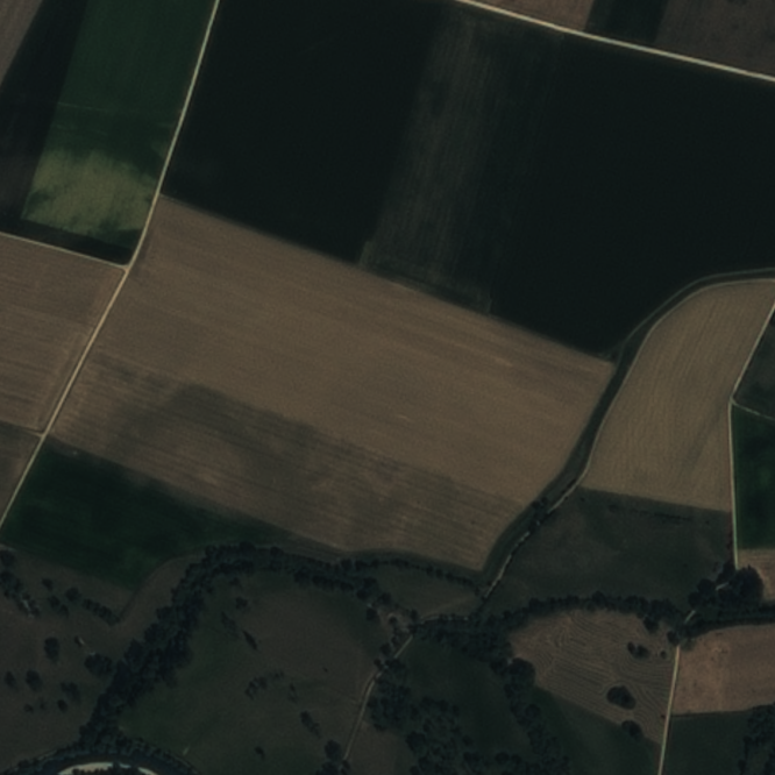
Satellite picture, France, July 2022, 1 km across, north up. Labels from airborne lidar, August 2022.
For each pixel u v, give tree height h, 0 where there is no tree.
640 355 0
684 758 0
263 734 0
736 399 0
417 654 0
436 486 0
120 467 0
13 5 0
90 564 0
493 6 0
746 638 0
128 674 31
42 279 0
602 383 0
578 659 0
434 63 0
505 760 16
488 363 0
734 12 0
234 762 0
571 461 0
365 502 0
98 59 0
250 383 0
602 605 17
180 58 0
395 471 0
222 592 0
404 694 19
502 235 0
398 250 0
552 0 0
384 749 0
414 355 0
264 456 0
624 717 0
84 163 0
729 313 0
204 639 0
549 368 0
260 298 0
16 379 0
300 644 0
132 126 0
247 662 0
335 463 0
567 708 0
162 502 0
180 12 0
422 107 0
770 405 0
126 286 0
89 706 0
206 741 0
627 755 0
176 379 0
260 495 0
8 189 0
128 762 0
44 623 0
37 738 0
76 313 0
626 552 0
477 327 0
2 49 0
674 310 0
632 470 0
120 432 0
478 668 0
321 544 0
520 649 0
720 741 0
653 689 0
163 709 0
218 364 0
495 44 0
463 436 0
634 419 0
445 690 0
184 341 0
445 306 0
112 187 0
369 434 0
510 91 0
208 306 0
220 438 0
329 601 0
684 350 0
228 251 0
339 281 0
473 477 0
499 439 0
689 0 0
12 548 0
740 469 0
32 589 0
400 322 0
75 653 0
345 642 0
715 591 14
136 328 0
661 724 0
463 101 0
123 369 0
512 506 0
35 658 0
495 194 0
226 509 0
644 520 0
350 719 0
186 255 0
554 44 0
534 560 0
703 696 0
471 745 19
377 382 0
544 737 22
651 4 0
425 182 0
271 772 0
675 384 0
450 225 0
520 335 0
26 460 0
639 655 7
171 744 0
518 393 0
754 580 33
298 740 0
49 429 0
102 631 0
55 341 0
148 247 0
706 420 0
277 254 0
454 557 0
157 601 0
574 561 0
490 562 0
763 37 0
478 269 0
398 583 0
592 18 0
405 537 0
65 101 0
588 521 0
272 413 0
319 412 0
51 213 0
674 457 0
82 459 0
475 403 0
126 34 0
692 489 0
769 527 0
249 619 0
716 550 0
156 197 0
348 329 0
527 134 0
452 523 0
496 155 0
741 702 0
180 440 0
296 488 0
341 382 0
